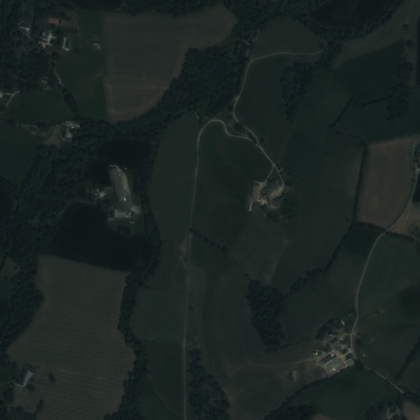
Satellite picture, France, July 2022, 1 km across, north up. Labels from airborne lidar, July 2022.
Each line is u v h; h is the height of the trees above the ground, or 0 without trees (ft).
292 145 0
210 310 0
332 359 0
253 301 36
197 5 63
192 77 101
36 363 0
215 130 0
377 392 0
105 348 0
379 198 0
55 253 19
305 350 0
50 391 0
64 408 0
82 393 0
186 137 0
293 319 0
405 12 0
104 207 80
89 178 87
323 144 0
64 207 54
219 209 0
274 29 0
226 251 38
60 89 45
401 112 57
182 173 0
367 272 0
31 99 0
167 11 81
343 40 47
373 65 0
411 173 0
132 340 80
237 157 0
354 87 0
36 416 53
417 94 0
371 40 0
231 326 0
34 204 65
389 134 0
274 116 0
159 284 0
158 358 0
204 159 0
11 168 0
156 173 0
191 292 0
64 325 0
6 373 0
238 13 68
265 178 0
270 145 0
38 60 85
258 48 0
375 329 0
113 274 0
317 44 0
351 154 0
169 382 0
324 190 0
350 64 0
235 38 40
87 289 0
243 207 0
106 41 0
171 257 0
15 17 85
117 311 0
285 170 0
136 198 0
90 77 0
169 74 0
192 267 0
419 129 0
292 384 0
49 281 0
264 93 0
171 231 0
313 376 0
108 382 0
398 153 0
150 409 0
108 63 0
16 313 56
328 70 52
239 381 0
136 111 0
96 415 0
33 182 104
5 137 0
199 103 100
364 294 0
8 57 95
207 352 0
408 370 0
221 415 66
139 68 0
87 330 0
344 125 0
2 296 0
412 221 0
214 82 67
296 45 0
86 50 0
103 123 60
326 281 0
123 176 0
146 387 0
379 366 0
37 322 0
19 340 0
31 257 71
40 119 0
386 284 0
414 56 0
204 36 0
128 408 58
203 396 51
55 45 40
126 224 0
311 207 0
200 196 0
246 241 0
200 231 0
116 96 0
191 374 80
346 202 0
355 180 0
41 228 35
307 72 54
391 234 24
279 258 0
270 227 0
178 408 0
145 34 0
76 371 0
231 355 0
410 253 0
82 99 0
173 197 0
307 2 62
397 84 20
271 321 58
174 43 0
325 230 0
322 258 0
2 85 89
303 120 0
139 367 55
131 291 44
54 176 90
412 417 0
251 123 0
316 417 0
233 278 0
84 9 33
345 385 0
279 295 41
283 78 42
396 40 0
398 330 0
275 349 55
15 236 86
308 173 0
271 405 0
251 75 0
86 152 89
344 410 0
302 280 56
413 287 0
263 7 24
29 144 0
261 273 0
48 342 0
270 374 0
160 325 0
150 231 66
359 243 0
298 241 0
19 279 61
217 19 0
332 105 0
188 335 0
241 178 0
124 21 0
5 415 40
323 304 0
